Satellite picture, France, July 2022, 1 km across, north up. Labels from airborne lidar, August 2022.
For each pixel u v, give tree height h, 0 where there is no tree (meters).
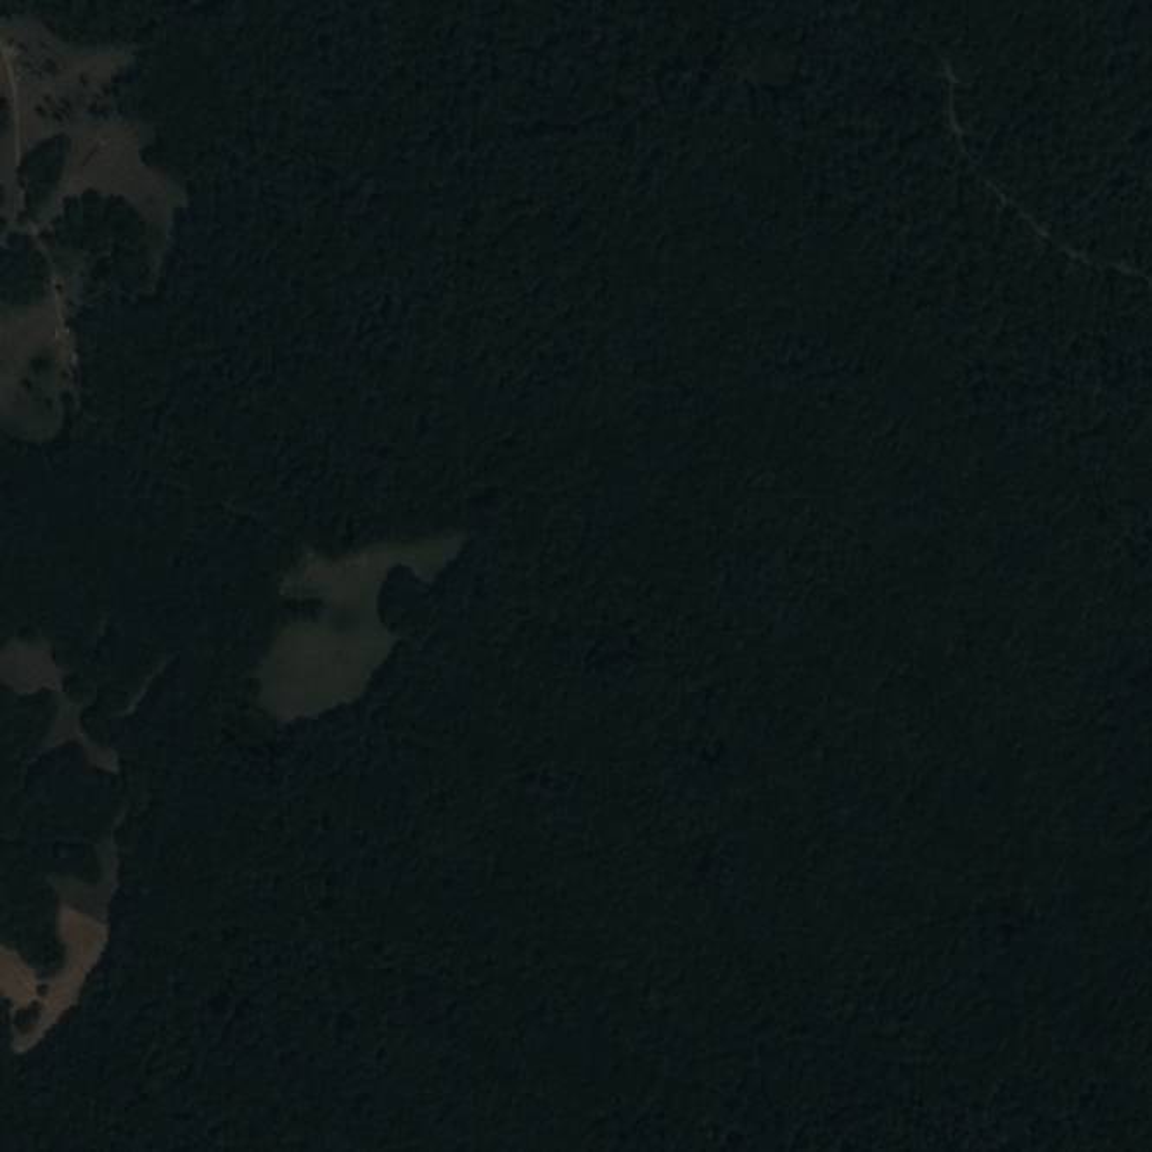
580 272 19
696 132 18
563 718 21
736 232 18
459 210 19
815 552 18
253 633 17
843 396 17
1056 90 20
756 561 20
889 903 19
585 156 20
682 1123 20
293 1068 19
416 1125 18
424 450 17
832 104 20
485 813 18
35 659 0
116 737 21
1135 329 17
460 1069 24
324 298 19
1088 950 15
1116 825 18
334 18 17
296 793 19
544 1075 20
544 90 19
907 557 19
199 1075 19
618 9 19
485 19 18
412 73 19
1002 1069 17
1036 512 18
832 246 20
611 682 22
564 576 21
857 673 19
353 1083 19
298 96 16
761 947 19
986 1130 22
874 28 21
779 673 17
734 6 22
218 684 18
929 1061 20
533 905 18
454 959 19
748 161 18
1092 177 21
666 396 19
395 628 15
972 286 18
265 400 20
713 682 20
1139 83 16
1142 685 19
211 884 21
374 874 19
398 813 22
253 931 21
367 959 21
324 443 22
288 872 18
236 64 18
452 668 20
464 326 14
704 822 18
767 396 21
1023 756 18
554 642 20
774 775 17
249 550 20
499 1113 17
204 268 20
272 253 18
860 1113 21
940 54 12
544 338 17
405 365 19
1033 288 21
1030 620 16
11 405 0
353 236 19
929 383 18
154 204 0
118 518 16
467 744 17
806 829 21
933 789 20
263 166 18
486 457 19
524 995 18
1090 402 17
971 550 19
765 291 18
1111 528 18
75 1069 21
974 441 18
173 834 21
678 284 18
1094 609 16
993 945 19
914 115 19
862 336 20
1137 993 18
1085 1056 18
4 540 18
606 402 15
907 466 20
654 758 16
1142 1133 19
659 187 17
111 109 14
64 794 17
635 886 16
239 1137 22
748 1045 23
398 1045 18
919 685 19
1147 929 21
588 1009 22
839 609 19
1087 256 14
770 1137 20
